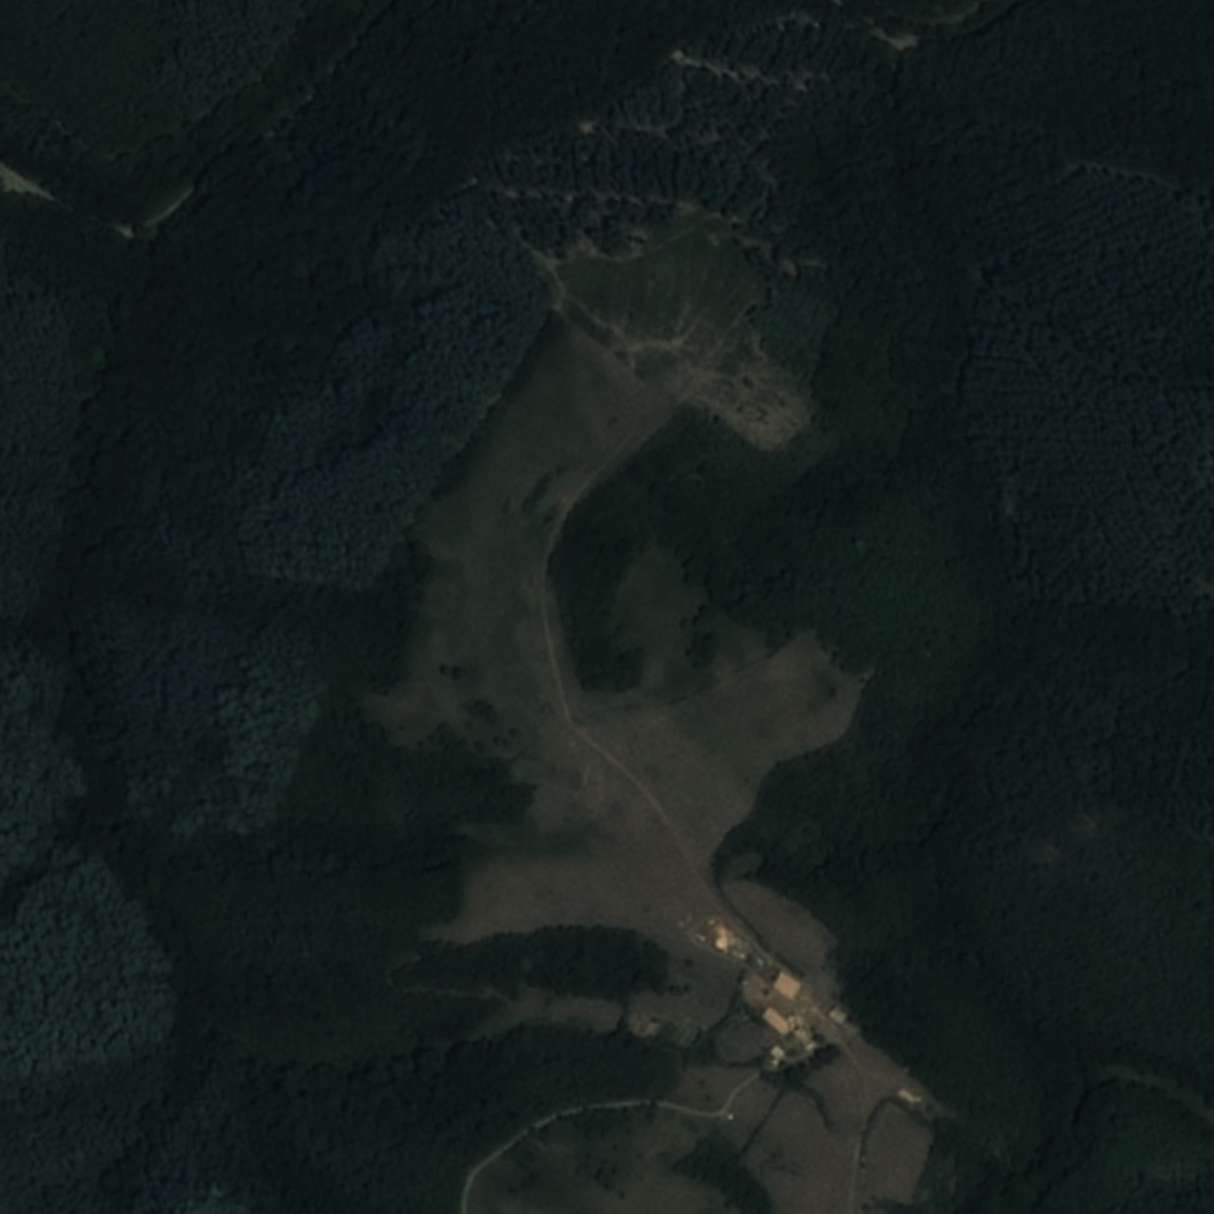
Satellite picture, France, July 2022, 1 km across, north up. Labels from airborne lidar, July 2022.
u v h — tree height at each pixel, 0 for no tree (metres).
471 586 0
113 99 16
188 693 24
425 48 16
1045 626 21
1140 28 21
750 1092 0
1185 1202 14
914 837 8
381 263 11
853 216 27
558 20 21
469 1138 9
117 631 26
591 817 0
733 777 0
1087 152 14
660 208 19
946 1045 12
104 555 25
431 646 0
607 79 16
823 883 20
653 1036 6
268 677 19
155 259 21
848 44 17
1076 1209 11
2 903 25
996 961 18
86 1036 20
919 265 20
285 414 17
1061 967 15
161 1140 13
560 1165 0
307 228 19
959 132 7
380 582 16
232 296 25
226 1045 20
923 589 10
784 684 0
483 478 0
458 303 28
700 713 0
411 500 20
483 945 7
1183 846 10
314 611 24
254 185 15
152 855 24
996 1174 18
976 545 22
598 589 14
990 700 20
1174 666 8
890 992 15
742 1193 7
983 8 15
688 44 15
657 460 12
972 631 7
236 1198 14
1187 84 22
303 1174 14
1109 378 23
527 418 0
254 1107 22
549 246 24
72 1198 25
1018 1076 16
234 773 21
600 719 0
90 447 23
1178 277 21
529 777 0
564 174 22
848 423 12
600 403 0
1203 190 7
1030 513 18
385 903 10
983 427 20
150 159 17
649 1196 0
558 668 0
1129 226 23
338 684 12
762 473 10
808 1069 14
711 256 0
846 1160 0
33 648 26
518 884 0
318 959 7
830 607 9
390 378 20
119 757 16
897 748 15
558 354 0
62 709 23
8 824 30
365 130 15
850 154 19
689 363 0
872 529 9
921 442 18
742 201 23
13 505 23
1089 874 7
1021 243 25
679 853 0
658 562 0
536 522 0
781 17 22
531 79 21
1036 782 14
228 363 16
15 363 28
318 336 26
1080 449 21
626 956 11
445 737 10
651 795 0
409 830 9
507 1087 14
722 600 17
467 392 23
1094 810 8
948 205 23
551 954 12
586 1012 0
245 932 13
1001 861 15
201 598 19
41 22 19
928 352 21
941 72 13
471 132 18
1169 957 12
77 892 25
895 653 11
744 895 0
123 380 24
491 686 0
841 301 15
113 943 28
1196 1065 8
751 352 10
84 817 23
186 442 19
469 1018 6
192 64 27
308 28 15
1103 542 20
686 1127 0
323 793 11
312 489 25
